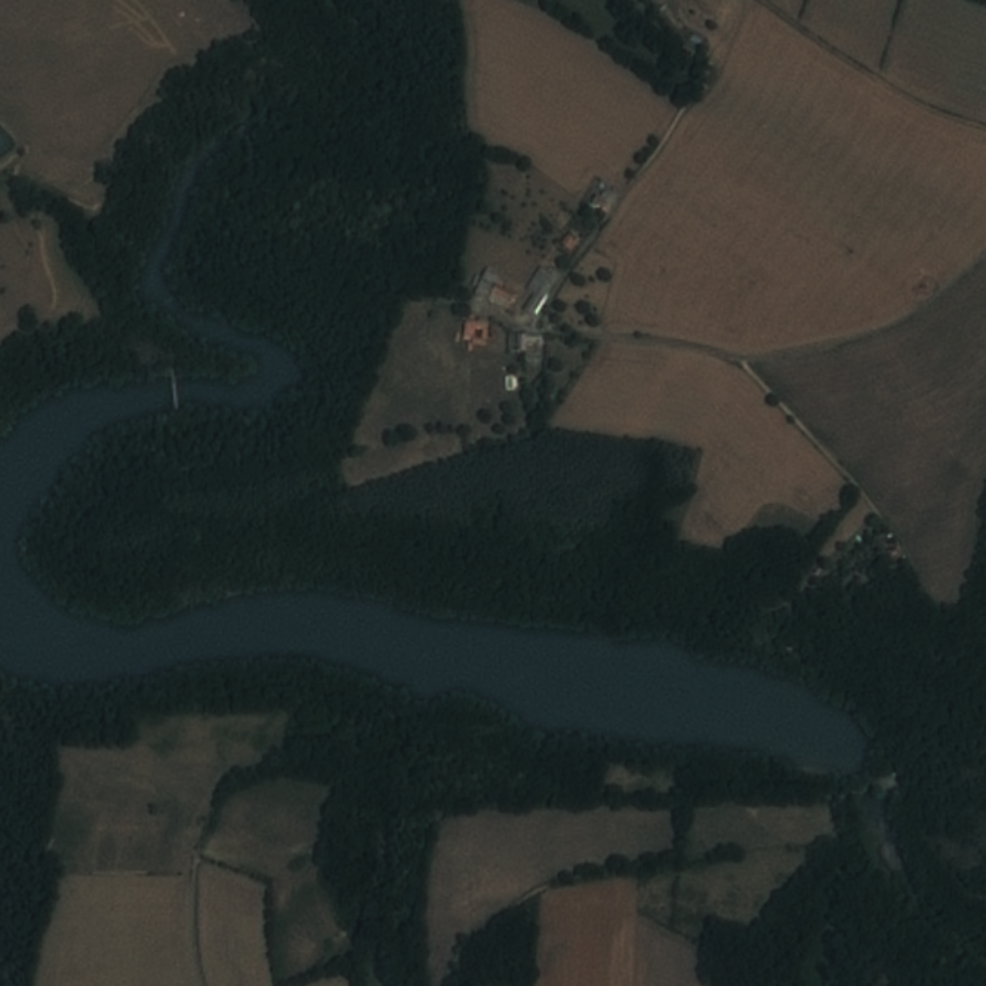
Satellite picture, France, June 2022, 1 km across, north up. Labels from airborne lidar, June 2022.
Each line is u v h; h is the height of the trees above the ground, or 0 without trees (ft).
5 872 67
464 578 46
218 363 21
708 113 0
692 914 0
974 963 76
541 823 0
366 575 40
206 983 0
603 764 73
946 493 0
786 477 0
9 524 0
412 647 0
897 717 50
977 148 0
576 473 60
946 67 0
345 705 49
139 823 0
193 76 48
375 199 47
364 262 58
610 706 0
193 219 80
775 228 0
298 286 59
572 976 0
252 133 66
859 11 0
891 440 0
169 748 0
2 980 76
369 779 68
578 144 0
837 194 0
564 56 0
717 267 0
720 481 0
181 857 0
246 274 57
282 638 0
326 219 50
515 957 60
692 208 0
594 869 43
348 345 48
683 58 57
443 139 54
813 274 0
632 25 66
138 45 0
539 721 0
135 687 43
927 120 0
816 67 0
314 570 28
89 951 0
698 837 0
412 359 0
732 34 0
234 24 0
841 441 0
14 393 47
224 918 0
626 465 59
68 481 59
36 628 0
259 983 0
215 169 69
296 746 73
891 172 0
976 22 0
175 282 58
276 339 45
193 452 44
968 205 0
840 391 0
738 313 0
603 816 0
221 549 37
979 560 45
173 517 48
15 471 0
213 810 35
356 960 75
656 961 0
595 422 0
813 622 59
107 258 46
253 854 0
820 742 0
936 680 50
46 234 0
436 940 0
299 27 49
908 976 50
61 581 60
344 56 44
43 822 47
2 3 0
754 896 0
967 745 37
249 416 71
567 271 25
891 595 46
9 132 0
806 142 0
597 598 69
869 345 0
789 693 0
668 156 0
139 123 35
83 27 0
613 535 58
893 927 45
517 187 0
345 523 46
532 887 0
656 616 58
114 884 0
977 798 36
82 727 76
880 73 0
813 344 0
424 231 67
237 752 0
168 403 0
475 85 0
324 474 44
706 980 55
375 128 37
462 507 53
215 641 0
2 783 59
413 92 74
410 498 62
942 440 0
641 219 0
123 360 39
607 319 0
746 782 31
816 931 82
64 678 0
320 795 0
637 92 0
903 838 75
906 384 0
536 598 48
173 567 53
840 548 31
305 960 0
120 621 43
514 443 49
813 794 55
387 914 37
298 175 78
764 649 34
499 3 0
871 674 62
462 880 0
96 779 0
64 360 27
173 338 31
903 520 0
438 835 28
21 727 49
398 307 48
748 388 0
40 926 63
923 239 0
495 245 0
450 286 50
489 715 45
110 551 45
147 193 53
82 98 0
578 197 0
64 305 0
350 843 58
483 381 0
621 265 0
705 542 0
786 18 0
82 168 0
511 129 0
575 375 25
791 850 18
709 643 70
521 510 52
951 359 0
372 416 0
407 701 48
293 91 26
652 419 0
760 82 0
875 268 0
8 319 0
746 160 0
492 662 0
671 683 0
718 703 0
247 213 59
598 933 0
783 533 64
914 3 0
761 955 55
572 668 0
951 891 55
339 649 0
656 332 0
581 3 0
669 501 62
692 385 0
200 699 46
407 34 57
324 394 72
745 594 65
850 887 75
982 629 50
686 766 61
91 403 0
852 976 62
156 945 0
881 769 68
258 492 65
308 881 0
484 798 49
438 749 35
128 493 57
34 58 0
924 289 0
